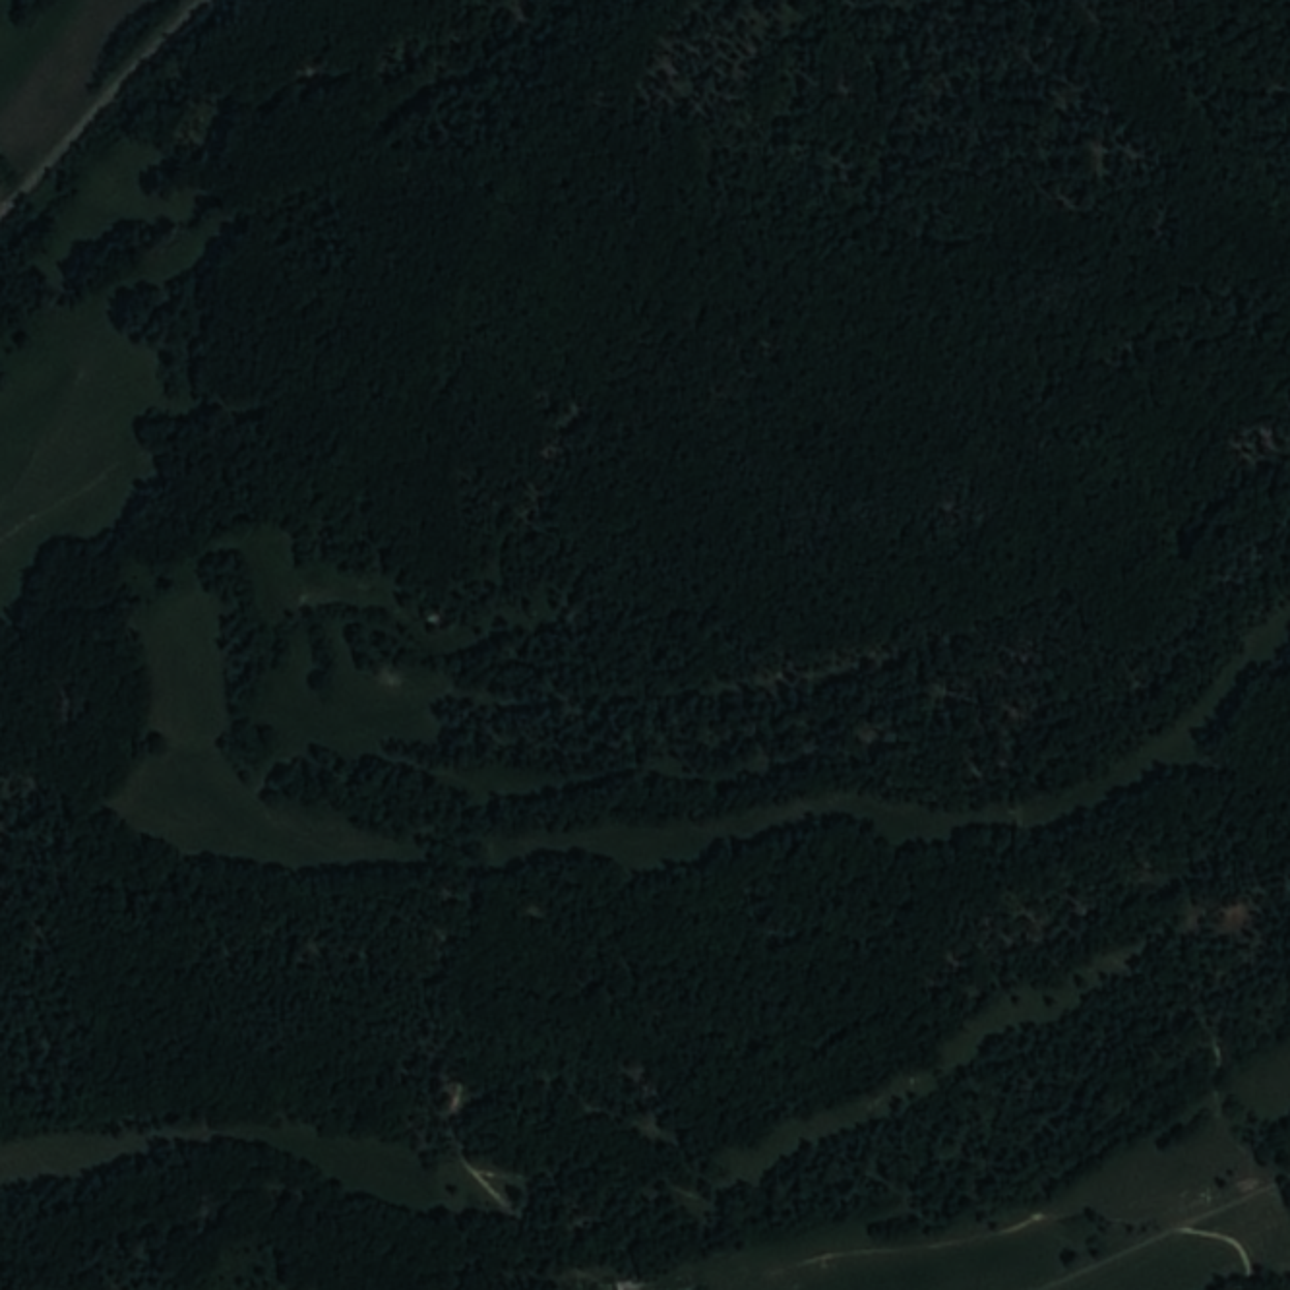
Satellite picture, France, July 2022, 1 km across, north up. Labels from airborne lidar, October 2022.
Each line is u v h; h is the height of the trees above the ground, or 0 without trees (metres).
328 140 32
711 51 19
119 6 0
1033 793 24
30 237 24
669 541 21
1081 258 20
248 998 20
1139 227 22
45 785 19
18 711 21
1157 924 19
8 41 0
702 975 22
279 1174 19
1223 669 7
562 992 20
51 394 0
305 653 0
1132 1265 0
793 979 21
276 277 23
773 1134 8
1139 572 26
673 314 19
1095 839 20
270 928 18
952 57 29
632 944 18
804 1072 16
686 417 16
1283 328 22
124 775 23
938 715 11
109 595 20
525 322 20
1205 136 21
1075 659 26
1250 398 22
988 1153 20
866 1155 20
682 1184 18
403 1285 23
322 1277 19
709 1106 20
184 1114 20
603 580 22
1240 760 21
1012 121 27
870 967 19
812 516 22
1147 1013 12
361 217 24
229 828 0
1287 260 24
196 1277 18
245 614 10
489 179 18
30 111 0
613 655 23
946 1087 10
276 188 27
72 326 0
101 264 21
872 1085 18
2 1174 0
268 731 12
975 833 16
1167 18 29
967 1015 10
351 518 23
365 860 0
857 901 20
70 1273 18
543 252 18
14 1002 16
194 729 0
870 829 18
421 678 0
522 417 21
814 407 17
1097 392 23
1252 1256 0
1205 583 21
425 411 21
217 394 22
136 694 23
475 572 20
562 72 32
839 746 28
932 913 18
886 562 20
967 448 27
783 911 19
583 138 20
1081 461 24
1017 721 22
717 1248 19
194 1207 18
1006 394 23
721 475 19
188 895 21
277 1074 28
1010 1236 0
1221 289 16
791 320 21
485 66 18
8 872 20
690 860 0
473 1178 0
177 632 0
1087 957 14
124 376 0
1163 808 21
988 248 25
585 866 22
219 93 30
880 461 23
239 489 23
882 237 16
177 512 22
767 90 20
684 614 21
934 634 24
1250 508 29
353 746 0
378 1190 0
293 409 25
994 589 23
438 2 25
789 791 23
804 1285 0
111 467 0
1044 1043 13
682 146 16
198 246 0
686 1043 17
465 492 24
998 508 20
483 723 23
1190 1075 13
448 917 21
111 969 21
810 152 7
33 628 21
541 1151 20
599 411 21
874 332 22
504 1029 21
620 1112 14
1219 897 15
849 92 21
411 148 30
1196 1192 0
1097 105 25
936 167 27
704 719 22
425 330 24
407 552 21
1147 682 16
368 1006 21
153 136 22
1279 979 15
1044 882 15
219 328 25
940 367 16
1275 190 19
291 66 30
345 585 0
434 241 25
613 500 21
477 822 29
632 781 20
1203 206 19
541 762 16
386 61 10
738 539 22
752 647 26
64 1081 16
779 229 18
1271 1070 0
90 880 20
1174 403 19
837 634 28
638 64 13
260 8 14
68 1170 0
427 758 21
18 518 0
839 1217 12
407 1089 22
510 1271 16
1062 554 22
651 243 21
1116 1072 11
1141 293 25
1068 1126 13
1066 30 26
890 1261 0
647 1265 11
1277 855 19
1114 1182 0
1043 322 21
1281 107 19
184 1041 20
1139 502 22
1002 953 13
